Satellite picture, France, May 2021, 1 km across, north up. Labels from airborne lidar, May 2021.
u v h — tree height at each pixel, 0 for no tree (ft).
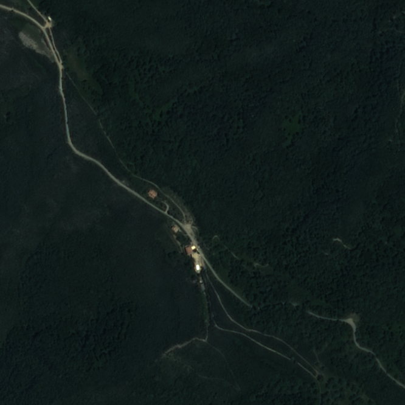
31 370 30
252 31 65
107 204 19
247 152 32
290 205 46
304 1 34
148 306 19
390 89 35
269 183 67
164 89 29
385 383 33
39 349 62
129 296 20
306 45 61
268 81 65
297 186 30
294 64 67
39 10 20
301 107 49
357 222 31
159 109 23
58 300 30
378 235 46
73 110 0
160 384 24
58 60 0
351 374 30
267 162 52
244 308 50
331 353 24
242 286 48
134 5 36
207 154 41
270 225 26
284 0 75
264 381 23
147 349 19
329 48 51
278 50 41
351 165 27
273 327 39
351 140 69
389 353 43
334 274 39
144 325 23
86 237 25
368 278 30
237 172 35
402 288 23
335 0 49
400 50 45
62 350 67
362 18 78
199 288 35
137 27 31
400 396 18
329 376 0
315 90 45
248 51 19
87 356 53
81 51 41
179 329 20
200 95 50
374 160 34
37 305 38
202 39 34
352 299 51
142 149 48
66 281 20
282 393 57
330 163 74
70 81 19
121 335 53
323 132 28
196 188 35
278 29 59
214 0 73
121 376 18
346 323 28
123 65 35
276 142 35
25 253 21
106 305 71
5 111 0
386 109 32
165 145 54
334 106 58
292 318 60
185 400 30
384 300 42
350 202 30
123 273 18
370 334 44
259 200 35
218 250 53
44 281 41
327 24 80
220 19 38
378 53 79
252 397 58
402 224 44
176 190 29
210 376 23
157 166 49
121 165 21
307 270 48
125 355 23
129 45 25
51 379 30
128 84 47
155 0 28
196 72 26
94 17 32
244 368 20
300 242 45
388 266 39
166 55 35
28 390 58
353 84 71
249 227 36
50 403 21
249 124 49
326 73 45
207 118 54
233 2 96
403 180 86
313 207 60
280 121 43
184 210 0
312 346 41
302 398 62
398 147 46
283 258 32
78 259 23
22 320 39
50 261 25
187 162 52
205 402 43
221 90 52
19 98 18
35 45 0
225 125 54
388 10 86
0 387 42
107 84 46
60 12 26
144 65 54
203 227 26
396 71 30
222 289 19
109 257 23
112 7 32
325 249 39
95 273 23
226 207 29
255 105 35
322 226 47
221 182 34
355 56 41
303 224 60
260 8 86
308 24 72
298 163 47
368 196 28
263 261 67
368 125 44
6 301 22
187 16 30
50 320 66
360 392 42
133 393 35
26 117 20
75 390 20
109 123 27
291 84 34
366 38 74
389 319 23
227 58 44
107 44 30
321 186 57
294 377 22
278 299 47
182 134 48
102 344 55
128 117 47
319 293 26
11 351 49
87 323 56
